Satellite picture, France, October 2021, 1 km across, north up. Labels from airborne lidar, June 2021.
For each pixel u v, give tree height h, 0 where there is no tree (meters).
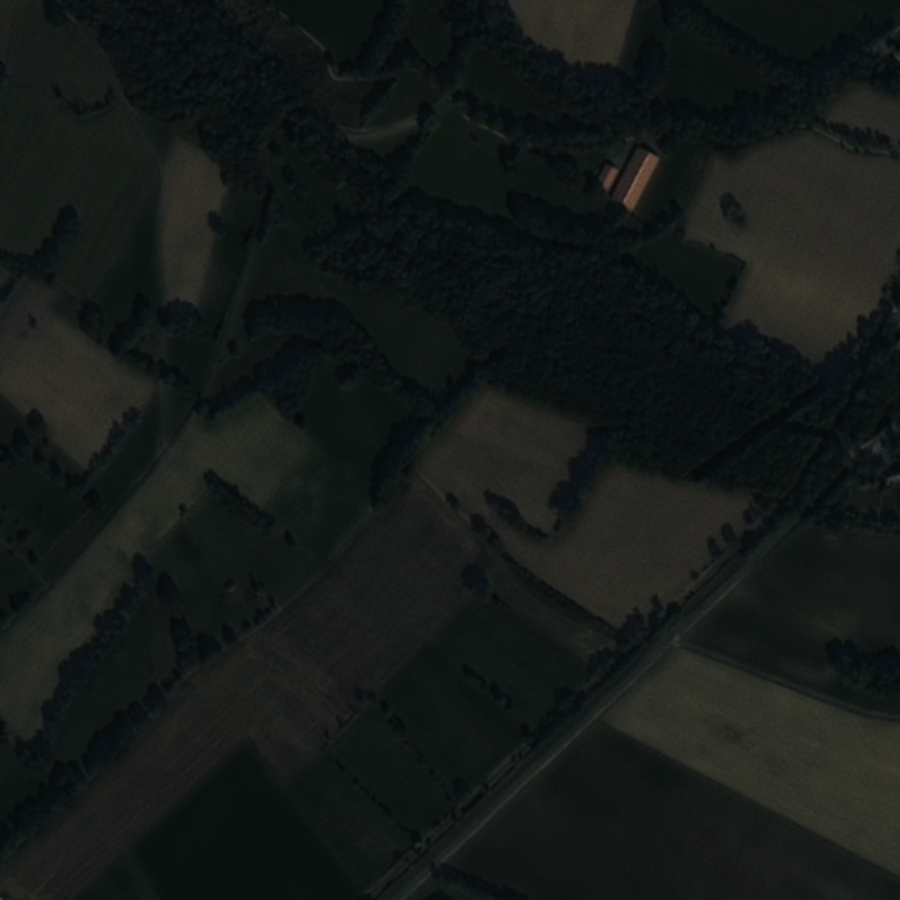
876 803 0
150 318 17
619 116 21
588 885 0
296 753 0
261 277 0
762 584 0
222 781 0
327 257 12
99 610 0
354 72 13
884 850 0
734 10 0
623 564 0
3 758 0
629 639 12
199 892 0
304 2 0
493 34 22
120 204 0
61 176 0
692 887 0
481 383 16
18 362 0
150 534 0
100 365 0
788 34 0
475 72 0
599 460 22
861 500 0
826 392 21
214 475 0
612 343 22
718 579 0
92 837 0
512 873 0
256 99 28
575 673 0
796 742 0
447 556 0
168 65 31
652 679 0
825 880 0
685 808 0
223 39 23
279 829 0
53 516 0
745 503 0
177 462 0
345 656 0
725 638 0
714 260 0
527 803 0
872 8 0
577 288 25
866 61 18
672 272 0
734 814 0
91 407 0
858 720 0
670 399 22
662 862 0
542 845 0
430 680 0
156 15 26
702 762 0
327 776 0
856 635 0
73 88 0
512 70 19
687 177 0
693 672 0
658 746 0
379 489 16
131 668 0
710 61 0
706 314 0
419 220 32
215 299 0
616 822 0
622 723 0
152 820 0
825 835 0
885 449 9
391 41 20
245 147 22
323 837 0
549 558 0
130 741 16
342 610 0
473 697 0
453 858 0
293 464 0
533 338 27
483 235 25
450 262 24
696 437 24
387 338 0
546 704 0
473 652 0
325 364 18
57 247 11
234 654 0
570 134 18
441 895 0
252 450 0
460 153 0
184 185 0
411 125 0
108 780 0
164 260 0
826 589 0
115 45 25
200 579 0
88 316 16
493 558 0
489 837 0
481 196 0
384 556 0
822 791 0
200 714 0
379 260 26
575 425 0
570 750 0
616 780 0
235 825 0
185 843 0
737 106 0
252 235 6
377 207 21
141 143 0
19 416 0
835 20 0
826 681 0
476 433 0
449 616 0
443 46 0
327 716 0
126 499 0
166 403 0
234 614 0
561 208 0
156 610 0
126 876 0
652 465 23
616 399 24
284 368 14
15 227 0
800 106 24
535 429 0
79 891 0
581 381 26
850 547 0
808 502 14
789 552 0
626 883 0
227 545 0
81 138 0
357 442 0
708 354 26
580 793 0
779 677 0
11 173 0
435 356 0
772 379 27
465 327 19
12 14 0
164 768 0
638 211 0
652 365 24
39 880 0
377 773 0
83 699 0
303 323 25
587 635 0
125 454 0
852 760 0
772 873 0
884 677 23
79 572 0
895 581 0
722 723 0
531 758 0
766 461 23
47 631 0
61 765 0
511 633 0
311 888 0
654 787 0
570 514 17
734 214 13
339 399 0
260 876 0
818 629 0
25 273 14
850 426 15
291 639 0
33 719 0
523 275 26
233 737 0
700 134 15
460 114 11
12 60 0
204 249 0
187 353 0
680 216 15
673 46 0
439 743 0
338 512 0
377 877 0
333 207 0
